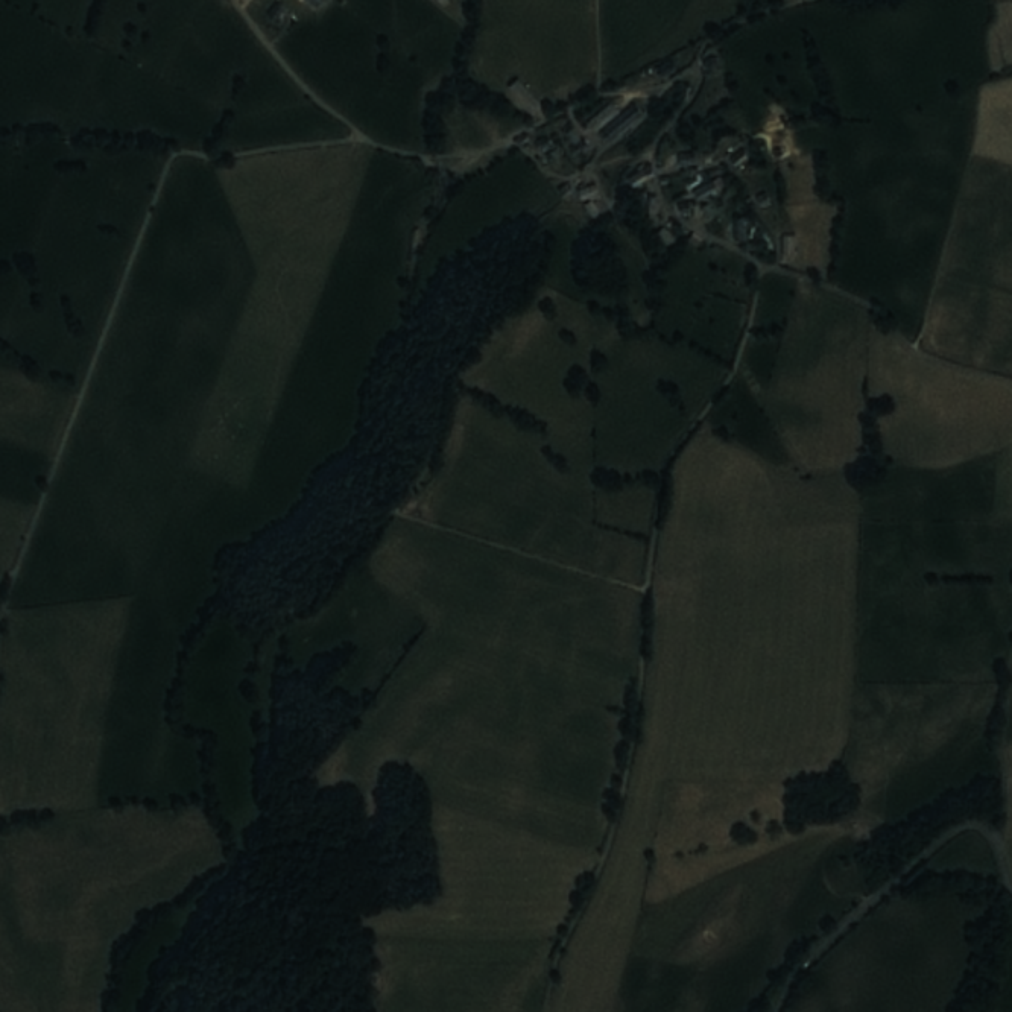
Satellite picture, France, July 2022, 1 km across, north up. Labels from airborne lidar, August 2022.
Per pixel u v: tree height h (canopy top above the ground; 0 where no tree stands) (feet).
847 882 0
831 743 0
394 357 74
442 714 0
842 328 0
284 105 0
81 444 0
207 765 54
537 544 0
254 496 0
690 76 0
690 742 0
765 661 0
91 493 0
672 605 0
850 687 0
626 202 57
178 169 0
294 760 94
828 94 65
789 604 0
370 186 0
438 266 0
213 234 0
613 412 0
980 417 0
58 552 0
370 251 0
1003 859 0
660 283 72
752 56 0
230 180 0
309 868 100
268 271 0
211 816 58
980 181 0
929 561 0
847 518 0
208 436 0
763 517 0
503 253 85
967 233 0
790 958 48
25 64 0
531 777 0
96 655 0
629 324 73
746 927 0
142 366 0
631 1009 0
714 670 0
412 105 0
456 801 0
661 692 0
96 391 0
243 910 101
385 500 50
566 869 0
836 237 55
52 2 0
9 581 32
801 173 0
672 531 0
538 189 0
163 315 0
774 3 34
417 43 0
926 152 0
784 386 0
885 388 0
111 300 0
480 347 39
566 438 0
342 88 0
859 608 0
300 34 0
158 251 0
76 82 0
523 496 0
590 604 0
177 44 0
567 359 0
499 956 0
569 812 0
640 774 0
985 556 0
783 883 0
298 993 51
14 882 0
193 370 0
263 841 78
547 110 45
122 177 0
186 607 0
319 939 54
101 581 0
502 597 0
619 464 0
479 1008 0
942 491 0
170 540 0
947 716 0
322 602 47
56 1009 0
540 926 0
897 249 0
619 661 0
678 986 0
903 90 0
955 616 0
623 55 0
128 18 0
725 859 0
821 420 0
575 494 0
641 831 0
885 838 59
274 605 67
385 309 0
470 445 0
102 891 0
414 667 0
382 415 44
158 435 0
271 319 0
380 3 0
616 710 27
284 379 0
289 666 59
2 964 0
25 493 0
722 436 42
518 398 0
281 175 0
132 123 0
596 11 0
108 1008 66
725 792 0
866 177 0
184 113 0
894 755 0
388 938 0
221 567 54
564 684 0
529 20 0
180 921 0
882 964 0
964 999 71
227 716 0
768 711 0
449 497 0
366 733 0
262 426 0
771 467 0
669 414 0
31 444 0
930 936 0
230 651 0
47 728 0
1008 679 50
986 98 0
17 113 0
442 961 0
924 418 0
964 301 0
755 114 0
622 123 0
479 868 0
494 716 0
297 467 0
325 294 0
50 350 0
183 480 0
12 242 0
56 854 0
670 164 0
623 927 0
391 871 81
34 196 0
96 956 0
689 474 0
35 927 0
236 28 0
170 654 0
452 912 0
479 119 0
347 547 64
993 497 0
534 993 0
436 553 0
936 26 0
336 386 0
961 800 58
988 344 0
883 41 0
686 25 0
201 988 97
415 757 0
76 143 51
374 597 0
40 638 0
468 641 0
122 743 0
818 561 0
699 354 32
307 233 0
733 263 0
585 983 0
